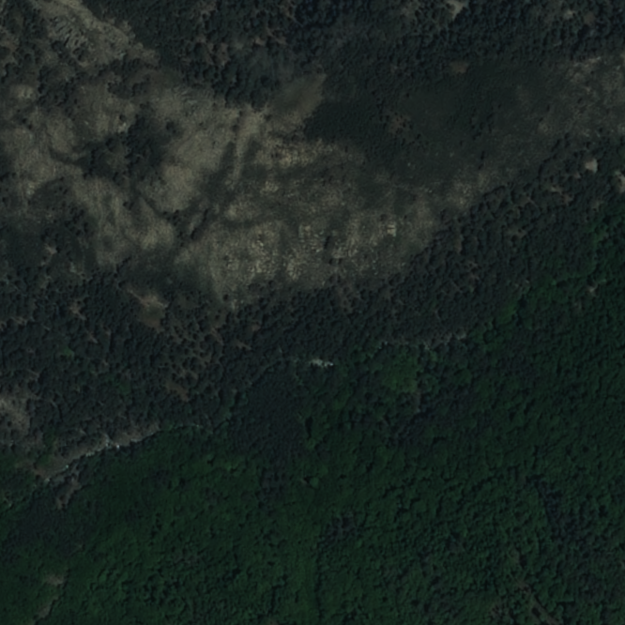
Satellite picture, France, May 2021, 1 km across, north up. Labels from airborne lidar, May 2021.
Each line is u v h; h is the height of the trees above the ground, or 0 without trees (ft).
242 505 65
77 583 47
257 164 0
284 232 0
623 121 0
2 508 56
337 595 112
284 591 93
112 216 0
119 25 19
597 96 0
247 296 0
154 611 87
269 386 83
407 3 66
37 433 72
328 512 72
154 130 0
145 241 0
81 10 0
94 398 108
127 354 64
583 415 79
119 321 45
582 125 0
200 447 77
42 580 33
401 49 80
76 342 76
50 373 109
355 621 87
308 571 60
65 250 82
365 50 24
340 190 0
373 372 99
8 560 65
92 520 61
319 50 72
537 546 113
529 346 56
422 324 79
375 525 70
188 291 25
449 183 0
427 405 87
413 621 36
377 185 0
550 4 92
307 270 0
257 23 104
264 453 107
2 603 46
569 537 37
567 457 70
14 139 0
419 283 45
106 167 73
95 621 69
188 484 102
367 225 0
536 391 102
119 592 97
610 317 36
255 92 71
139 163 69
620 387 78
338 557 58
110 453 43
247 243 0
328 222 0
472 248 115
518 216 71
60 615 56
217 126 0
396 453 76
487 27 92
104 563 60
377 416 89
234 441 67
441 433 93
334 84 30
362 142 32
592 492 85
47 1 22
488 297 110
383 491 106
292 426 99
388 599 56
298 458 77
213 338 55
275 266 0
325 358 82
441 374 109
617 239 64
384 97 79
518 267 93
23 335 111
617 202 94
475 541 40
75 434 62
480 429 91
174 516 76
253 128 0
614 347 65
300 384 72
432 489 85
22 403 33
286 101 0
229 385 65
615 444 66
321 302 70
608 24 53
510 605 103
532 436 100
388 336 85
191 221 0
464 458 74
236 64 76
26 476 43
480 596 88
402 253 0
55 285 47
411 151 30
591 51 53
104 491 66
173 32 58
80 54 26
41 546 51
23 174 0
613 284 55
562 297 42
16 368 99
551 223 93
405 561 54
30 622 31
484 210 95
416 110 0
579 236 86
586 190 74
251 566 71
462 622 47
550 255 68
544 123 49
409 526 76
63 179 38
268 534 85
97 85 41
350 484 93
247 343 59
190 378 49
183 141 0
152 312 0
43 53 42
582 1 100
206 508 71
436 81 85
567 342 58
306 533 57
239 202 0
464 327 62
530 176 69
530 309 108
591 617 73
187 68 61
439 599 69
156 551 66
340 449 67
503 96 22
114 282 41
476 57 48
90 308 52
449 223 66
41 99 42
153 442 66
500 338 98
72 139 0
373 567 38
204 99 0
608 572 82
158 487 97
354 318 107
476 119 55
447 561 36
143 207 0
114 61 30
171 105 0
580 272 81
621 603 73
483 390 83
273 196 0
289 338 77
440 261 115
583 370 84
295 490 89
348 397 106
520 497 48
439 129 0
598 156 82
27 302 76
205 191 0
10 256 22
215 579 31
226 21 87
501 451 69
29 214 0
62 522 81
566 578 106
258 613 48
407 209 0
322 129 40
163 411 77
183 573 54
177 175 0
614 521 92
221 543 88
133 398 32
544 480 63
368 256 38
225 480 81
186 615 43
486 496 64
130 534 92
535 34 25
